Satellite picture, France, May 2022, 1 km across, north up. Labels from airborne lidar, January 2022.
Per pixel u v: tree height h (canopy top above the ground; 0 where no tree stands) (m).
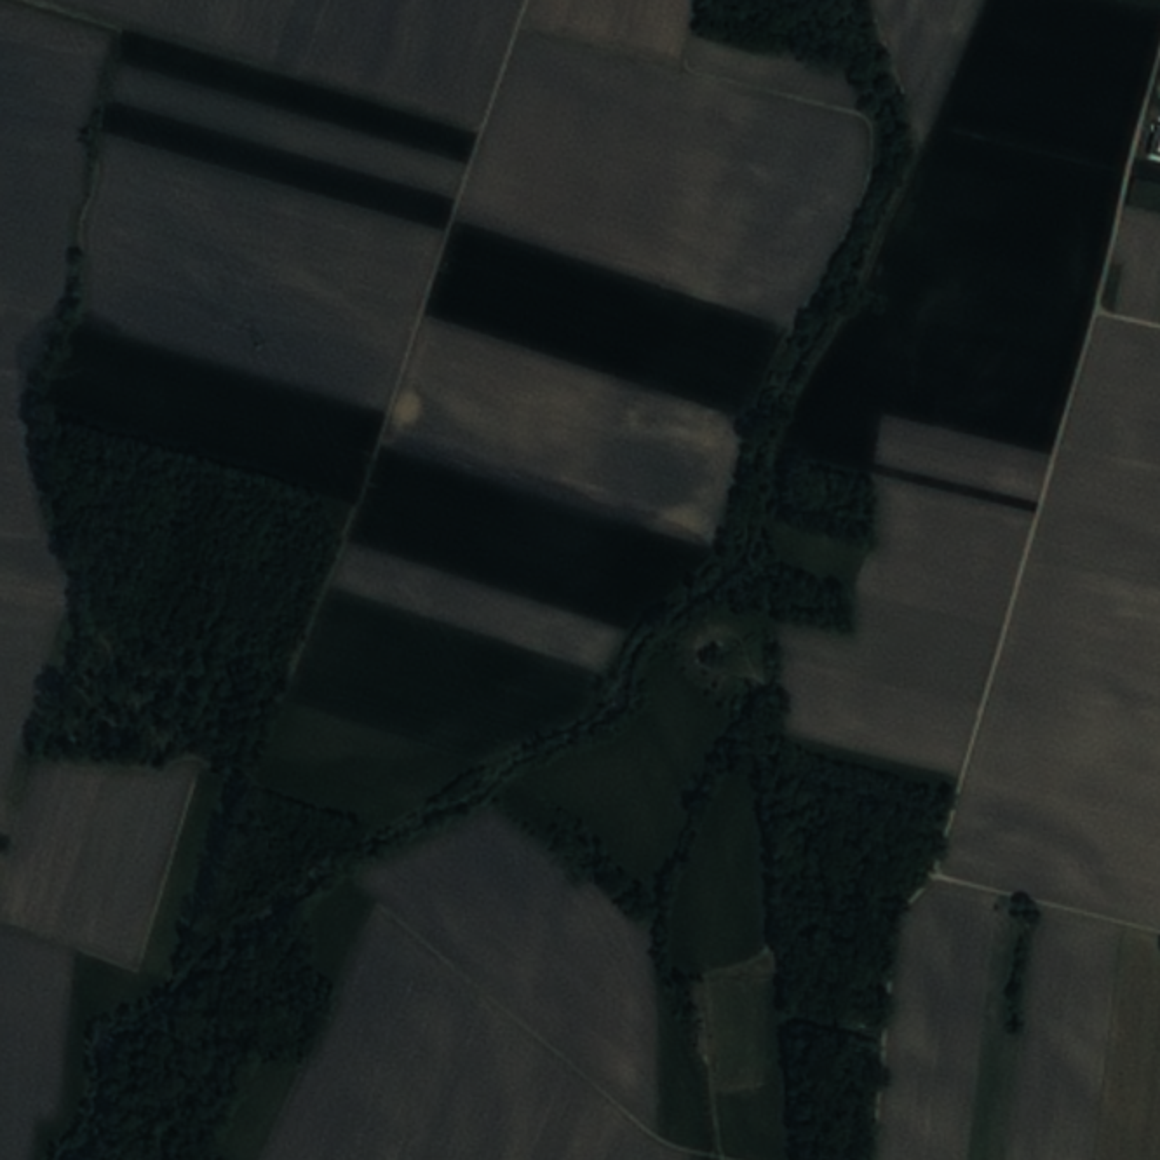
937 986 0
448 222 0
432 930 0
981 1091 0
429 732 0
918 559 0
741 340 0
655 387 0
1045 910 0
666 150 0
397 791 0
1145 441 0
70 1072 0
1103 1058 0
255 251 0
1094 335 0
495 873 0
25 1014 0
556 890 0
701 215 0
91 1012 0
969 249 0
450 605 0
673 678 0
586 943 0
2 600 0
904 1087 0
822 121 0
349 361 0
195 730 23
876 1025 14
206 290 0
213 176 0
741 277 0
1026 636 0
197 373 0
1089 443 0
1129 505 0
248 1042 20
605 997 0
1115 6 0
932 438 0
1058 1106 0
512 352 0
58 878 0
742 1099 0
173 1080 25
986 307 0
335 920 0
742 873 0
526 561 0
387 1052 0
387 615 0
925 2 0
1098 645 0
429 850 0
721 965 0
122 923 0
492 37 0
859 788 18
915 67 0
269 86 0
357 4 0
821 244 0
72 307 17
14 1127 0
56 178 0
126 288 0
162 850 0
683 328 0
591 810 0
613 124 0
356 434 0
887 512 0
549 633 0
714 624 0
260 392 0
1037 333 0
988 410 0
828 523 29
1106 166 0
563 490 0
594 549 0
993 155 0
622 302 0
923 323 0
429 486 0
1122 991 0
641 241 0
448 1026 0
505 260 0
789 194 0
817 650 0
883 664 0
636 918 18
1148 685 0
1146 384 0
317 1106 0
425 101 0
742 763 20
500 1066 0
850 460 0
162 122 0
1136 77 0
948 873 0
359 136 0
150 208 0
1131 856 0
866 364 0
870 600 0
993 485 0
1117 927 0
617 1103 0
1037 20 0
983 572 0
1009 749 0
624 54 0
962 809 0
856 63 23
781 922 21
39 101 0
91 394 0
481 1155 0
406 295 0
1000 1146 0
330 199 0
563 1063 0
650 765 0
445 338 0
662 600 0
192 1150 8
